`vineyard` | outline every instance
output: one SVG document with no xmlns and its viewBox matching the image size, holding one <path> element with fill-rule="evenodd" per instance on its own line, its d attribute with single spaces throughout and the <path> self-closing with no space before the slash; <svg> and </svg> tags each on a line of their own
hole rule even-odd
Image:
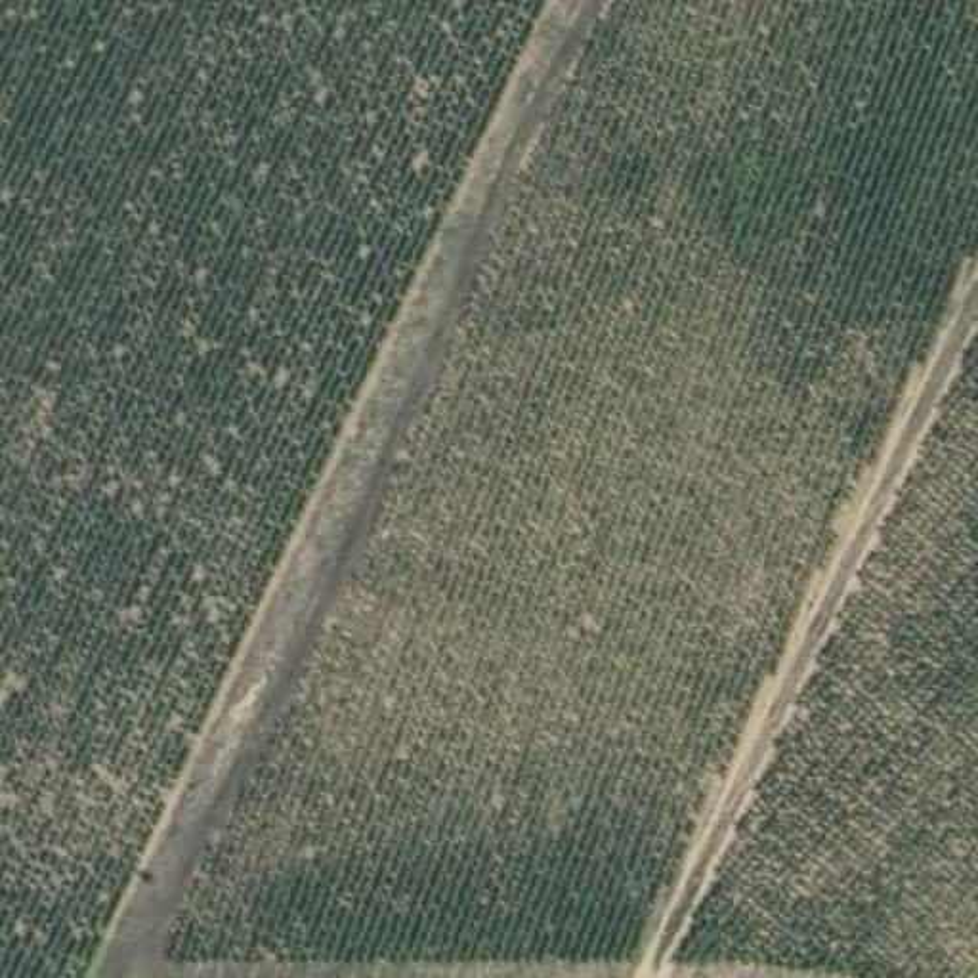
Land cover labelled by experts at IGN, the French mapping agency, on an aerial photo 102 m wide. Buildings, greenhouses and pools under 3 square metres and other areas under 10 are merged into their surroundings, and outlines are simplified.
<svg viewBox="0 0 978 978">
<path fill-rule="evenodd" d="M 0 978 L 978 978 L 978 0 L 0 0 Z"/>
</svg>

